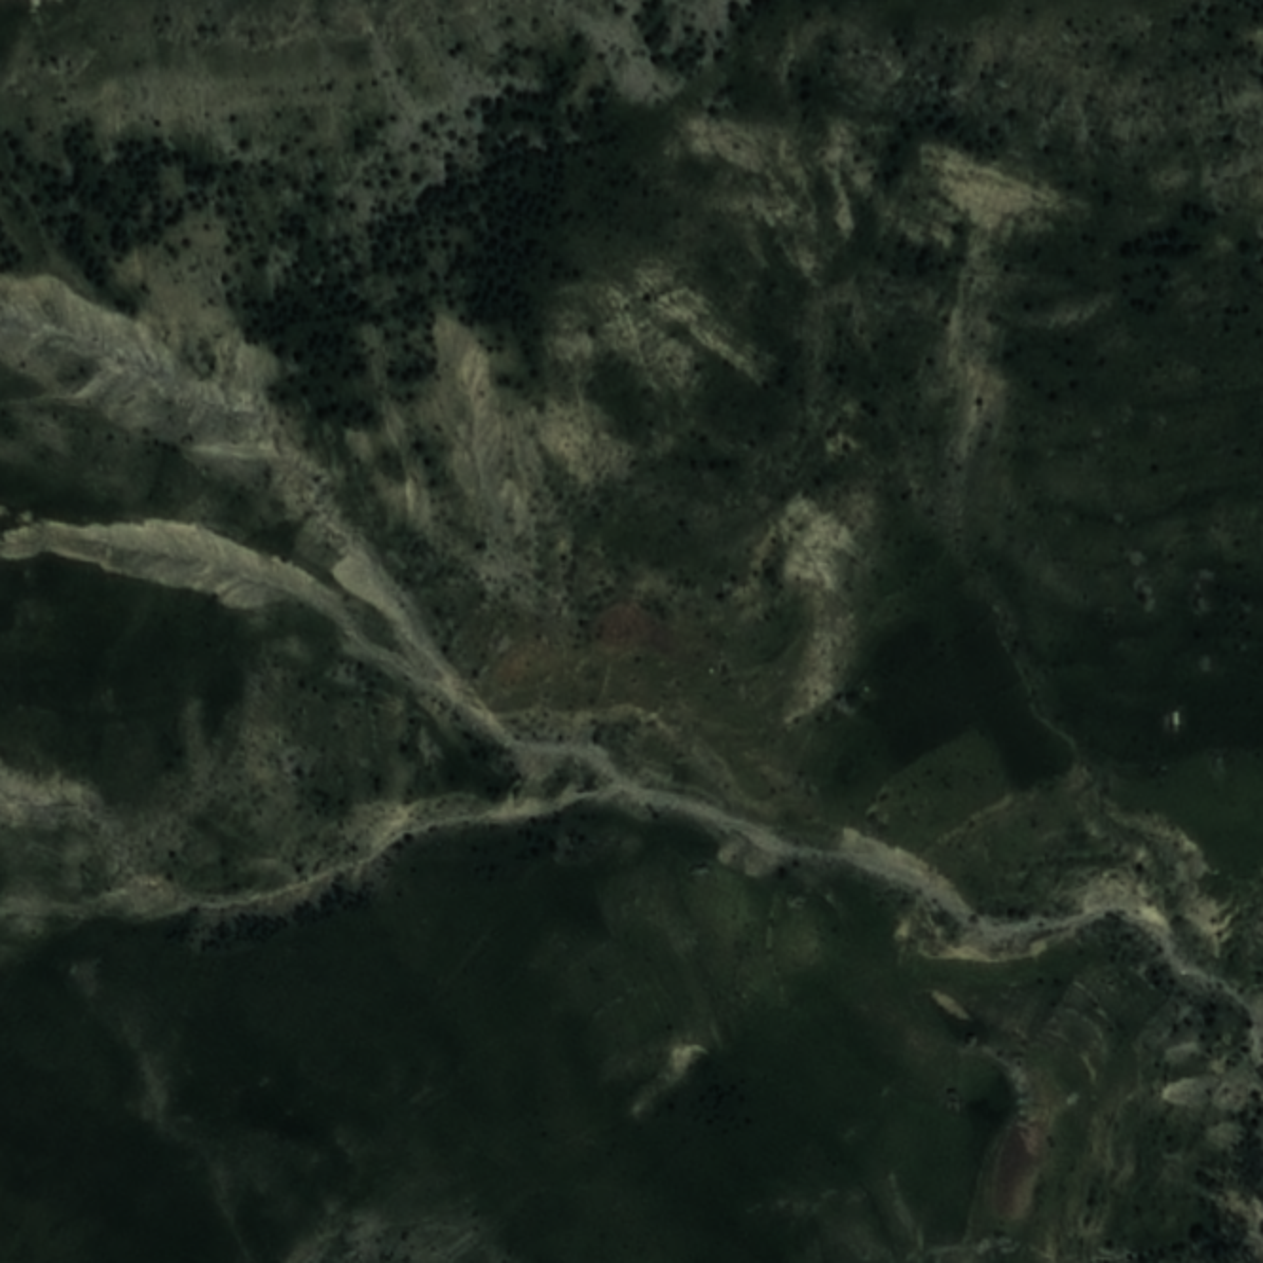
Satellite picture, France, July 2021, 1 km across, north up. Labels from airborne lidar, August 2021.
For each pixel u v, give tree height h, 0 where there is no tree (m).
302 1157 0
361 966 0
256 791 0
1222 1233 8
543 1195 0
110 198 10
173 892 0
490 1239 0
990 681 0
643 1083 0
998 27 0
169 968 0
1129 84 0
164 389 0
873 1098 0
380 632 0
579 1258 0
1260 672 0
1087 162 0
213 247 0
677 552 0
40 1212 0
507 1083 0
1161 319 0
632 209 0
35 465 0
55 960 0
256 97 0
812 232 0
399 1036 0
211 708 0
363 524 0
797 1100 0
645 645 0
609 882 0
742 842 0
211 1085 0
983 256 0
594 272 0
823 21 0
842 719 0
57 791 0
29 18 0
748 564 0
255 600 0
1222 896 0
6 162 0
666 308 0
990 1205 0
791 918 0
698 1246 0
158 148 9
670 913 0
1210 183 0
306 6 0
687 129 0
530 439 0
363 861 0
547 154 11
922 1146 0
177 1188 0
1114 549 0
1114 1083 0
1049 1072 0
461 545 0
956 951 0
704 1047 0
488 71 0
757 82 0
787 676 0
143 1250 0
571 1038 0
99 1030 0
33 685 0
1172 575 0
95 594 0
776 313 0
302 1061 0
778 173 0
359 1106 0
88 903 0
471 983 0
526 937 0
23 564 0
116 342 0
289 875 0
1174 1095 0
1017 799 0
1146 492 0
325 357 9
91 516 0
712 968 0
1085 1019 0
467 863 0
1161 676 0
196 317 0
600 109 15
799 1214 0
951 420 0
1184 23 9
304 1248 0
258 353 0
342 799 6
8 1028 0
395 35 0
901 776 0
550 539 0
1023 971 0
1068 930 0
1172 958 0
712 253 0
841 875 0
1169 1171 0
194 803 0
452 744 0
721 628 0
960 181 0
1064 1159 0
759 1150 0
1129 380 0
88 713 0
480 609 0
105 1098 0
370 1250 0
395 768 0
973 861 0
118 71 0
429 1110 0
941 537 0
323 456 0
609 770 0
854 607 0
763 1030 0
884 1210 0
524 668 0
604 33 0
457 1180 0
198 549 0
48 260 0
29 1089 0
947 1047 0
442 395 0
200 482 0
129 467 0
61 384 0
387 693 0
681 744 0
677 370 0
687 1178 0
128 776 0
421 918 0
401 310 8
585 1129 0
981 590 0
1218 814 0
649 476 0
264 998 0
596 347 0
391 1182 0
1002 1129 0
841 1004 0
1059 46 0
